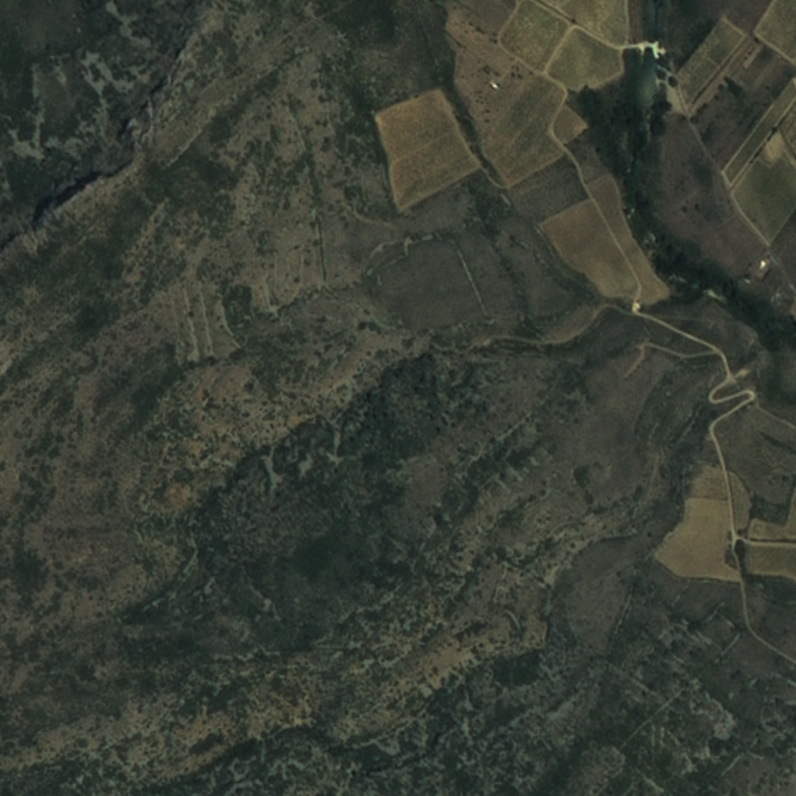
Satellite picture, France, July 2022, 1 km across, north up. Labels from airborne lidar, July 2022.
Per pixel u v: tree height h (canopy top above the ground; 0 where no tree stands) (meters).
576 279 0
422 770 0
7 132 0
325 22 0
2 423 0
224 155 0
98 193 0
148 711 0
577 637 0
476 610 0
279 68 0
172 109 0
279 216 0
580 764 0
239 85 0
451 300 0
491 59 0
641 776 0
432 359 10
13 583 0
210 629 0
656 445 0
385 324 0
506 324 0
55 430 0
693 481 0
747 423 0
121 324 0
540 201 0
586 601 0
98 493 0
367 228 0
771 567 0
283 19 0
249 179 0
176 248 0
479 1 0
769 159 0
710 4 0
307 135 0
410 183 0
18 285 0
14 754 0
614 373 0
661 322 0
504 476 7
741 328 0
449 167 0
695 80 0
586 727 0
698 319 0
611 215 0
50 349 0
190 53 0
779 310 0
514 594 0
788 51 0
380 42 0
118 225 0
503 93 0
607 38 0
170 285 0
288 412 0
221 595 0
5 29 0
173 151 0
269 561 0
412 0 0
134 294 0
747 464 0
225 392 0
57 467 0
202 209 0
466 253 0
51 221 0
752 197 0
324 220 0
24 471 0
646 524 0
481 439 0
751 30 0
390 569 7
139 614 8
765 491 0
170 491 0
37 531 0
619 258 0
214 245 0
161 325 0
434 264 0
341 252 0
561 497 0
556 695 0
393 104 0
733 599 0
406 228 0
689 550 0
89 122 0
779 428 0
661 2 9
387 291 0
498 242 0
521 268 0
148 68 0
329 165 0
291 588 0
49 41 0
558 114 0
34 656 0
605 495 0
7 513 0
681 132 0
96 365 0
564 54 0
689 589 0
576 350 0
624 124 5
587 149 0
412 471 0
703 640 0
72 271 0
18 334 0
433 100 0
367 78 0
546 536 0
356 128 0
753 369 0
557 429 0
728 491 0
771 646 0
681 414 0
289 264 0
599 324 0
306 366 0
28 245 0
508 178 0
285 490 0
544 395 0
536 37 0
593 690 0
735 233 0
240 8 0
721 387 0
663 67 11
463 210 0
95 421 0
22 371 0
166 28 0
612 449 0
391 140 0
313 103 0
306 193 0
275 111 0
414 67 0
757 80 0
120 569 0
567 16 0
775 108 0
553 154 0
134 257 0
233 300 0
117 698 0
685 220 0
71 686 0
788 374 0
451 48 0
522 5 0
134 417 0
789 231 0
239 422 0
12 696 0
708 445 0
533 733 0
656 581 0
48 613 0
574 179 0
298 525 0
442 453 0
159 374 0
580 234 0
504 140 0
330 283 0
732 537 0
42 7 0
